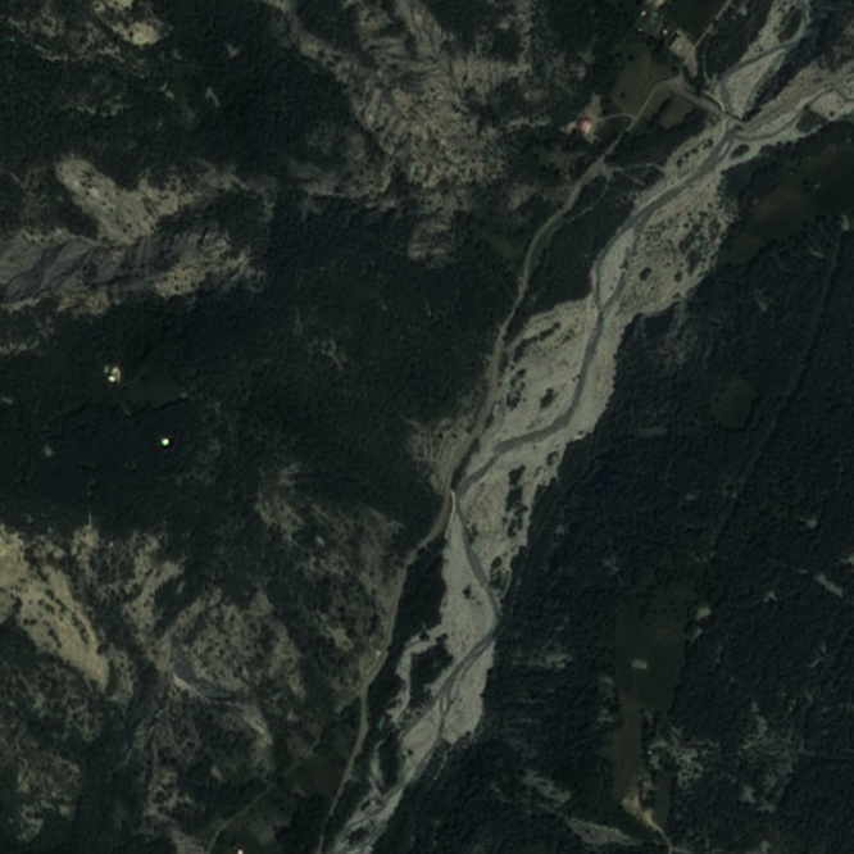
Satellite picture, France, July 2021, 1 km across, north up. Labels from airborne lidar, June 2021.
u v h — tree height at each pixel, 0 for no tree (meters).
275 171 13
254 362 8
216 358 9
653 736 9
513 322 8
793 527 11
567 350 0
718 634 10
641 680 0
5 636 12
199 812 11
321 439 16
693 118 7
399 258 12
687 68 8
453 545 0
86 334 7
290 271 9
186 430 10
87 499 9
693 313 8
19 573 0
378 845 8
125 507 10
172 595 6
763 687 9
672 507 11
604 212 6
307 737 7
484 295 9
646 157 7
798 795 9
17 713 7
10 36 9
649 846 9
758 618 10
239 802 7
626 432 8
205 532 9
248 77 8
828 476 12
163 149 8
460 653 0
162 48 6
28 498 9
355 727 13
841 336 9
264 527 6
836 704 7
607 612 6
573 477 7
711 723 7
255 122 14
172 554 7
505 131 7
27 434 9
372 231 11
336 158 8
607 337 0
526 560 6
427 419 8
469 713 0
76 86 7
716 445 12
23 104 12
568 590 10
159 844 6
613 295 0
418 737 0
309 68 11
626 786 0
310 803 7
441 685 0
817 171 0
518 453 0
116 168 7
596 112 0
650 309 0
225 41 10
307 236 8
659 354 6
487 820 6
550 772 7
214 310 13
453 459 0
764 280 12
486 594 0
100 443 13
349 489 16
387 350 6
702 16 0
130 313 5
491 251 10
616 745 0
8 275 0
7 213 7
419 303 13
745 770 8
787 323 6
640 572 8
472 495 0
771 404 10
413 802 7
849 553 8
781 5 0
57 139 11
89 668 0
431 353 13
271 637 12
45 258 0
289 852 9
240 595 11
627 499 13
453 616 0
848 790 11
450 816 10
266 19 9
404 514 11
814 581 10
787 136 0
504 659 6
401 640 8
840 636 12
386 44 0
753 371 11
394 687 8
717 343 7
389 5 9
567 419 0
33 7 10
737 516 9
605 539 7
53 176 7
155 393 0
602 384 0
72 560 7
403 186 7
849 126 13
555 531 6
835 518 8
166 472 7
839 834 7
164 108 7
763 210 0
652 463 11
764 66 0
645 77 0
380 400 12
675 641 0
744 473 10
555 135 9
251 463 15
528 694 9
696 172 0
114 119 8
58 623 0
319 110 9
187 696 6
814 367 13
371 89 0
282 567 9
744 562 11
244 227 8
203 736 15
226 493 6
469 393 7
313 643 11
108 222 0
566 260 6
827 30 9
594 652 11
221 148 11
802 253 13
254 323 14
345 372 9
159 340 11
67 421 8
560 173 12
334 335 6
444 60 0
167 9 8
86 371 6
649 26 0
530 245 6
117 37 7
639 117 0
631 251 0
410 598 13
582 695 12
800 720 8
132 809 7
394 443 7
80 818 11
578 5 12
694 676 8
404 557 13
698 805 6
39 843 8
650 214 0
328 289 13
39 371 6
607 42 6
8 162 6
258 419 8
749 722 8
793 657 10
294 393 11
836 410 13
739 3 8
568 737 10
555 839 7
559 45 6
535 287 7
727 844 6
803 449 9
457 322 13
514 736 7
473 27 7
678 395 10
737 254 0
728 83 0
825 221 10
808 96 0
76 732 7
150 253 0
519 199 0
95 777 13
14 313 6
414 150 0
